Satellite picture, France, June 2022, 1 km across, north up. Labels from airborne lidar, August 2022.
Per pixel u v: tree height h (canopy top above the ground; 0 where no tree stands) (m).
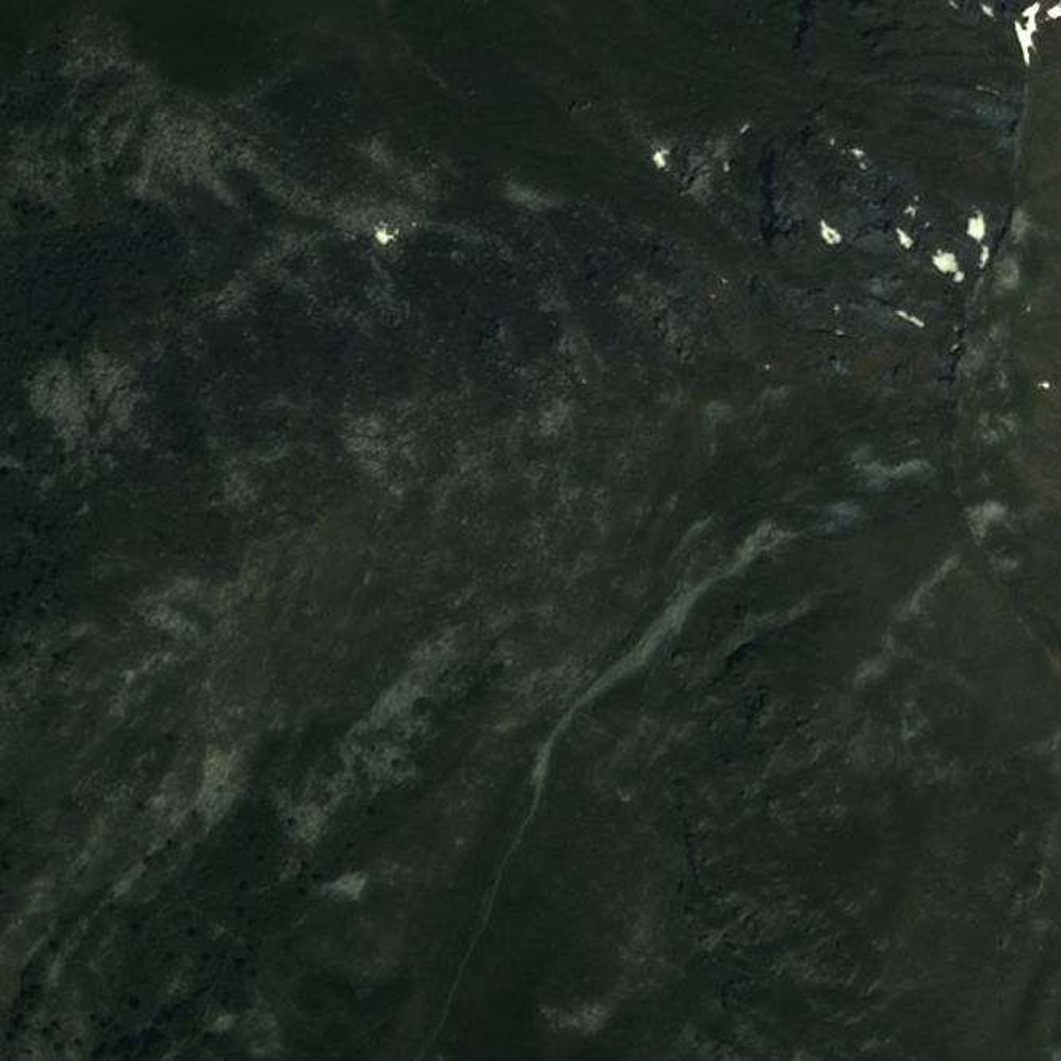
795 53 0
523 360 0
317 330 0
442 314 0
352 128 0
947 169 0
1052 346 0
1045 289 0
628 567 0
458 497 0
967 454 0
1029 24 0
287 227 0
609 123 0
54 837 0
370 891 0
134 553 0
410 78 0
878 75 0
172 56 0
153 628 0
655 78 0
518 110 0
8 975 0
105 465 0
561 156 0
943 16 0
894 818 0
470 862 0
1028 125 0
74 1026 0
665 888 0
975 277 0
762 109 0
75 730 0
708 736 0
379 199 0
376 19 0
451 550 0
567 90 0
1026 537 0
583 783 0
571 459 0
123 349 0
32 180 0
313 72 0
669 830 0
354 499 0
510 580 0
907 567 0
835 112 0
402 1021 0
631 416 0
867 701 0
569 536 0
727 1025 0
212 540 0
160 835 0
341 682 0
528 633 0
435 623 0
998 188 0
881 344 0
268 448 0
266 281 0
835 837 0
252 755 0
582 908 0
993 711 0
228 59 0
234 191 0
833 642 0
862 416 0
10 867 16
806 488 0
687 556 0
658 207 0
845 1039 0
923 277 0
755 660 0
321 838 0
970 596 0
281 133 0
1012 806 0
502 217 0
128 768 0
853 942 0
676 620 0
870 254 0
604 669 0
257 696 0
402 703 0
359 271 0
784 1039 0
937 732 0
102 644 0
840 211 0
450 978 0
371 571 0
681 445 0
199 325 0
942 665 0
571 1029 0
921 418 0
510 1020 0
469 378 0
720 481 0
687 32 0
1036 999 0
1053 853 0
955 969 0
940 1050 0
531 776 0
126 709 0
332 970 0
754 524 0
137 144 0
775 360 0
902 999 0
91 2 0
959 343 0
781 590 0
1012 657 0
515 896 0
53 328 13
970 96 0
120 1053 16
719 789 0
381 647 0
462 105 0
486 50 0
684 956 0
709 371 0
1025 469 0
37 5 0
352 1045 0
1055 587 0
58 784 0
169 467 0
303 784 0
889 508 0
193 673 0
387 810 0
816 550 0
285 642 0
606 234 0
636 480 0
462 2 0
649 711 0
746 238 0
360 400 0
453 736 0
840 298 0
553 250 0
